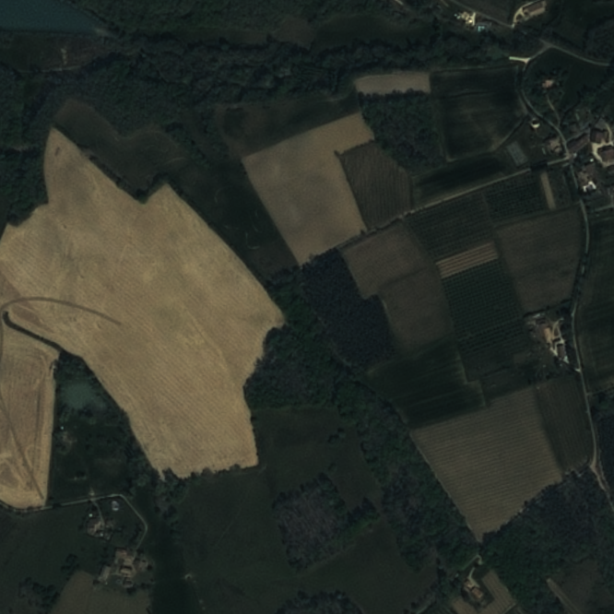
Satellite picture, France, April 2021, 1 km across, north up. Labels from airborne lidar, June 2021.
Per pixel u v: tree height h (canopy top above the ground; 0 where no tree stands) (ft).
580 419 0
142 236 0
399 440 69
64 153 0
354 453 0
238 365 0
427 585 0
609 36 31
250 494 0
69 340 0
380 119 51
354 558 0
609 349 0
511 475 0
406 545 60
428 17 54
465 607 0
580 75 0
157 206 0
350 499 0
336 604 66
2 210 0
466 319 19
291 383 64
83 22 0
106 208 0
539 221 0
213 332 0
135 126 46
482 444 0
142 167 0
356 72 54
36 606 29
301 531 61
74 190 0
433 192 0
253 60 27
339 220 0
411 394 0
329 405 56
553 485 0
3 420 0
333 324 45
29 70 0
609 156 0
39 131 72
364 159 0
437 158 46
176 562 0
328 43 0
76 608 0
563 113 22
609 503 68
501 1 0
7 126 80
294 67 57
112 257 0
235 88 52
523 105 0
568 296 0
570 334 49
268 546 0
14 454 0
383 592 0
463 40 53
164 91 86
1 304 0
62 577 0
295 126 0
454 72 0
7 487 0
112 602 0
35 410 0
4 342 0
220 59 52
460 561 86
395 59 63
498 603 0
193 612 0
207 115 26
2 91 67
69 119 0
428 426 0
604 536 56
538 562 62
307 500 49
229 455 0
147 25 72
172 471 0
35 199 58
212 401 0
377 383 0
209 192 0
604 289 0
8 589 0
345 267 44
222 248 0
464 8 0
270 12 71
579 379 47
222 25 60
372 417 57
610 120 31
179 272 0
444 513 70
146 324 0
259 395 55
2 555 0
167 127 20
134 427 0
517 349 0
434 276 0
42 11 0
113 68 81
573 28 0
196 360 0
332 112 0
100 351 0
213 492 0
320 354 65
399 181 0
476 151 0
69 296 0
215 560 0
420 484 50
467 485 0
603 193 0
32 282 0
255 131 0
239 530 0
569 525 65
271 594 0
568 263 0
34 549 0
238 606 0
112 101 63
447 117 0
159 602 0
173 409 0
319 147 0
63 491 0
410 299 0
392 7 46
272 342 51
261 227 0
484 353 0
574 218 0
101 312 0
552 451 0
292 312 74
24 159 21
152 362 0
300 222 0
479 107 0
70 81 70
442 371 0
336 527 56
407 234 0
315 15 18
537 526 69
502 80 0
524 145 0
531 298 0
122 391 0
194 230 0
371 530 46
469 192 0
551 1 0
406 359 0
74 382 0
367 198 0
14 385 0
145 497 0
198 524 0
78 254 0
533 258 0
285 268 0
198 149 44
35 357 0
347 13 51
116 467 0
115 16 74
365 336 54
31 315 0
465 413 0
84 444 0
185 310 0
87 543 0
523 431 0
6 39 58
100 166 25
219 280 0
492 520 0
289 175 0
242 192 0
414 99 63
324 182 0
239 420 0
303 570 60
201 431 0
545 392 0
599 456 0
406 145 25
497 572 49
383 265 0
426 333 0
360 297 53
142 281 0
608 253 0
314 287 53
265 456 0
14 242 0
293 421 0
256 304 0
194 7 74
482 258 0
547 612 63
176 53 42
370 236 21
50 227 0
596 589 0
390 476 67
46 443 0
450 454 0
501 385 0
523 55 48
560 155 29
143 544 0
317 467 0
